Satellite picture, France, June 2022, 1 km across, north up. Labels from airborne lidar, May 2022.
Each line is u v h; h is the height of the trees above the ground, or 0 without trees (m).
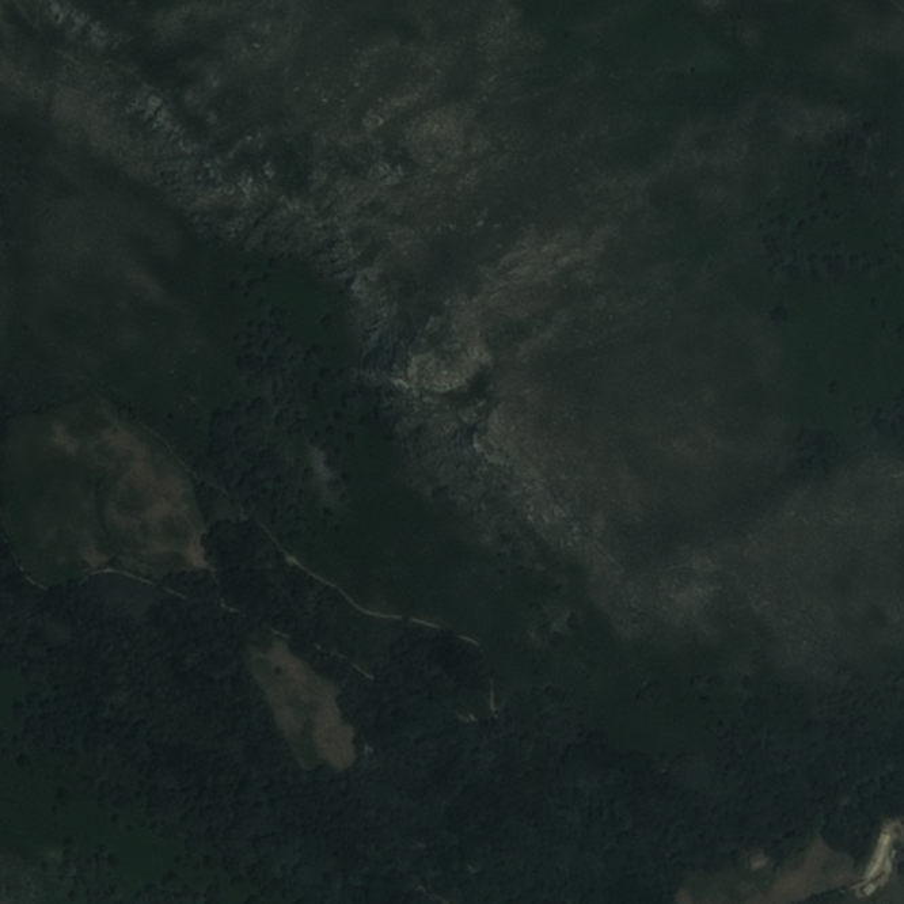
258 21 0
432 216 0
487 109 0
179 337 0
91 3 0
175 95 0
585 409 0
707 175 0
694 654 0
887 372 0
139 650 8
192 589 11
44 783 0
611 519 0
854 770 13
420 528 0
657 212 0
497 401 0
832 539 0
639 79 0
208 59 0
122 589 0
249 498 8
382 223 0
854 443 0
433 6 0
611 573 0
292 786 12
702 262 0
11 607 10
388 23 0
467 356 0
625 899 15
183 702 22
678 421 0
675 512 0
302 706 0
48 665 21
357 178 0
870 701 9
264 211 6
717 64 0
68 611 11
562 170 0
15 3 0
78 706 7
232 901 0
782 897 0
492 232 0
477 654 12
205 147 0
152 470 0
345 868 9
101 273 0
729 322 0
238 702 15
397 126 0
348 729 0
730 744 6
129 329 0
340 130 0
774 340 0
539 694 9
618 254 0
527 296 0
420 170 0
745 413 0
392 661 8
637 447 0
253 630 13
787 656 0
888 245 8
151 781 16
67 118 0
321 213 0
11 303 0
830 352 0
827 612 0
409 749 13
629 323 0
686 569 0
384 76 0
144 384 0
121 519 0
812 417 0
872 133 7
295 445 0
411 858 9
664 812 16
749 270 0
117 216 0
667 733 0
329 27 0
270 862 21
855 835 20
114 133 0
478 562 0
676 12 0
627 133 0
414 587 0
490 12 0
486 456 9
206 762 16
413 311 0
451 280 0
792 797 20
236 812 18
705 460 0
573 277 0
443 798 15
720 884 0
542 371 0
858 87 0
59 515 0
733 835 16
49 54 0
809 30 0
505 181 0
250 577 11
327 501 0
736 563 0
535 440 0
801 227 11
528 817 15
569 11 0
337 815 18
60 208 0
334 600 7
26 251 0
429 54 0
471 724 8
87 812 0
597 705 0
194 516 0
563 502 0
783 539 0
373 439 0
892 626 0
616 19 0
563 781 21
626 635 0
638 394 0
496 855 21
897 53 0
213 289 0
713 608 0
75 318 0
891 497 0
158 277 0
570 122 0
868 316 0
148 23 0
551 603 0
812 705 0
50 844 0
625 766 18
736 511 0
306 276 0
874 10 0
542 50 0
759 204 0
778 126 0
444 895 20
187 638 8
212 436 8
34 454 0
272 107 0
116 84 0
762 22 0
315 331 0
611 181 0
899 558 0
